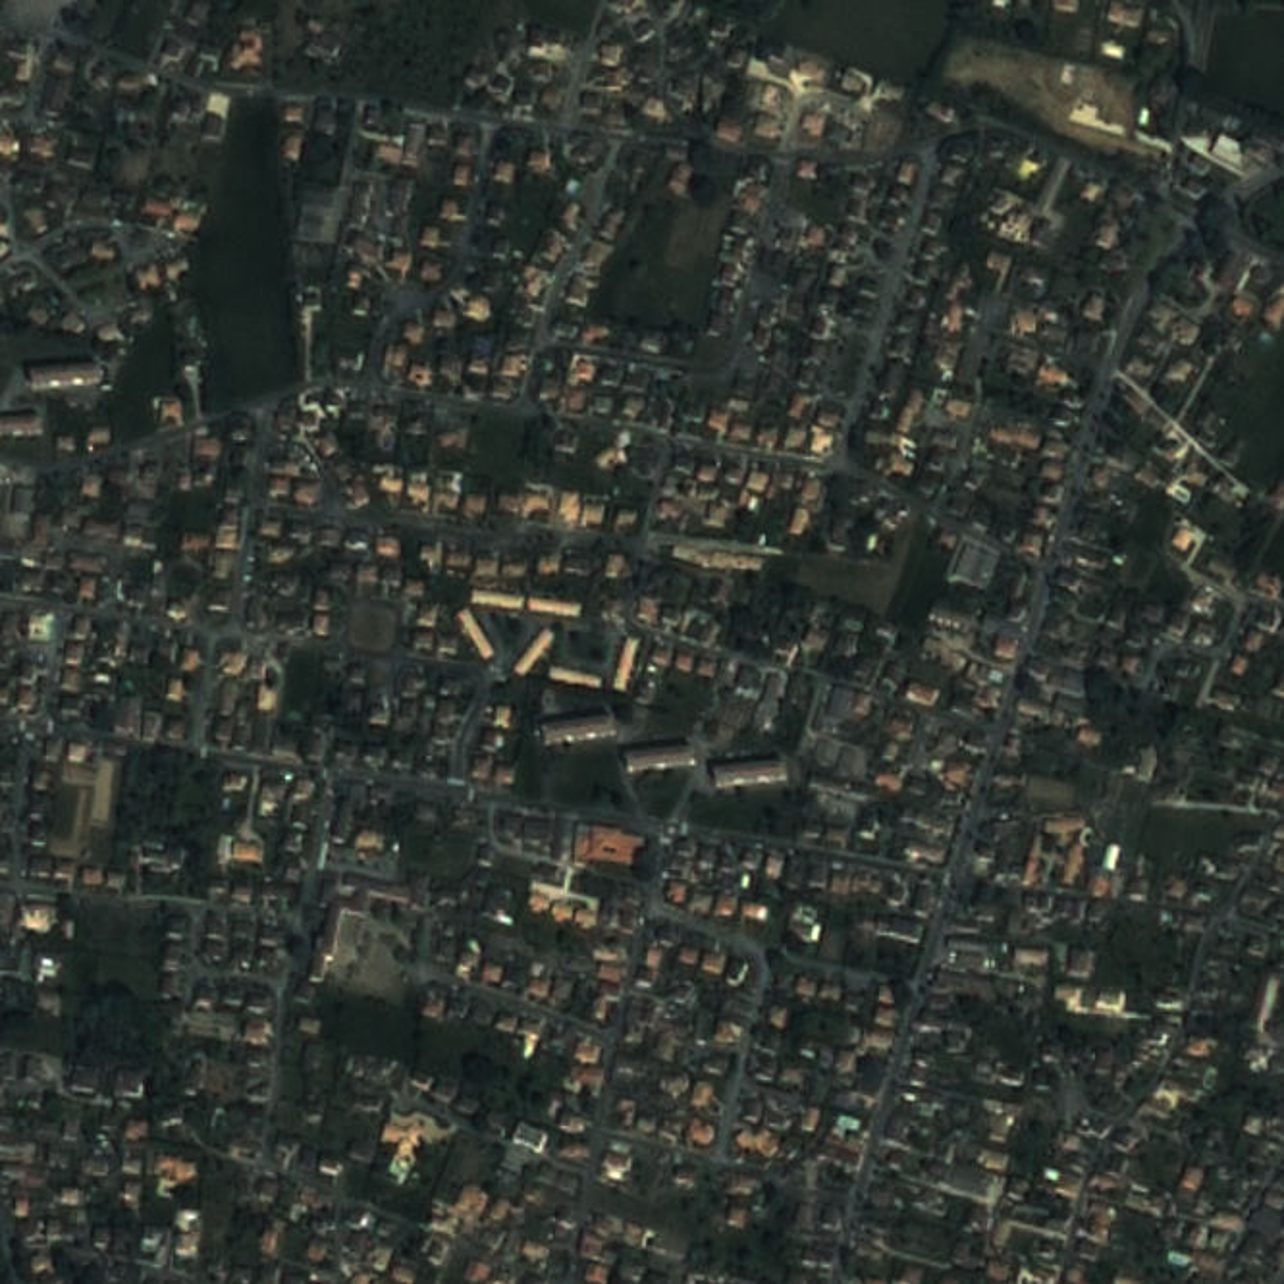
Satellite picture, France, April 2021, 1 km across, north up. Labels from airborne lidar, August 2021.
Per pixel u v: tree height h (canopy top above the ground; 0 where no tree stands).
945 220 7
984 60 0
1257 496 6
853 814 0
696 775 0
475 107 13
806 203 0
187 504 0
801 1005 6
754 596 11
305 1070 6
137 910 0
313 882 0
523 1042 8
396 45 8
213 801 8
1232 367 7
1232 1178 7
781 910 7
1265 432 0
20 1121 6
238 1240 6
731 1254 5
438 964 7
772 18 20
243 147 0
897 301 8
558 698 8
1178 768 7
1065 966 5
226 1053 10
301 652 0
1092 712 8
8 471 0
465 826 6
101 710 12
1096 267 7
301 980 7
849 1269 14
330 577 7
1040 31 13
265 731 0
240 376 0
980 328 0
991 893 13
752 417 0
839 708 0
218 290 0
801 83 0
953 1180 0
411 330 0
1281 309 0
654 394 7
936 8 0
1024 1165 8
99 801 0
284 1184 7
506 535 0
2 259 0
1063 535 0
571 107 0
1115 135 0
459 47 8
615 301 0
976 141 9
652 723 0
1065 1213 6
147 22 0
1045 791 0
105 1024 17
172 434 0
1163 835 0
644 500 6
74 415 0
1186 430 0
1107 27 0
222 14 6
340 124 12
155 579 0
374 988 0
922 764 0
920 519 0
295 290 9
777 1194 14
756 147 0
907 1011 9
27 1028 12
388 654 0
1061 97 0
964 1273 8
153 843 10
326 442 0
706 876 8
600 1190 0
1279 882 0
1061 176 0
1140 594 8
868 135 0
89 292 7
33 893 0
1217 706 7
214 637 0
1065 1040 11
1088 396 9
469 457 7
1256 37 0
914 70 0
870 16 0
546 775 11
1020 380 11
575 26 0
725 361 0
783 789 0
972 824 0
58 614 0
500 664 0
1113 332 18
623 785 0
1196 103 21
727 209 0
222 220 0
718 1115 0
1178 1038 0
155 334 0
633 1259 6
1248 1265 9
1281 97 0
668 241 0
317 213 0
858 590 0
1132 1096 8
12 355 0
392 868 0
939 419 0
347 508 0
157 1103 17
